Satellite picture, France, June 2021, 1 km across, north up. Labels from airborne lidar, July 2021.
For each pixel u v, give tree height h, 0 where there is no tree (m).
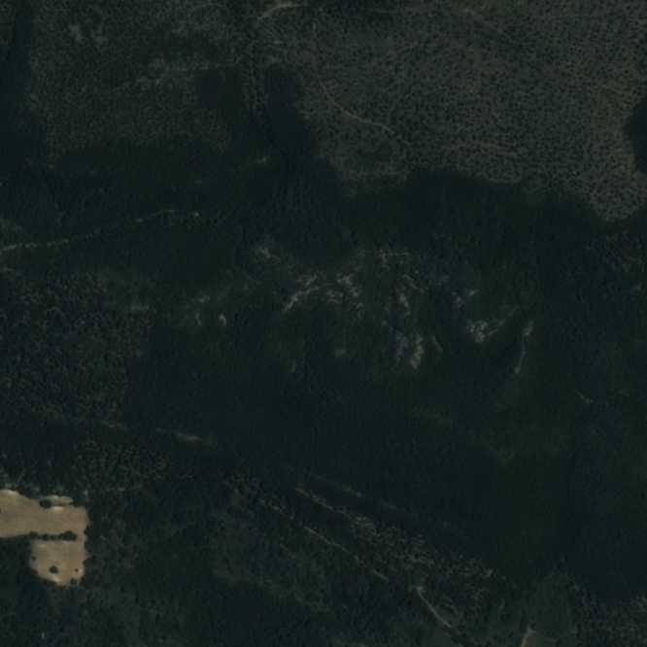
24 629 9
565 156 11
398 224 13
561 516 15
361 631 8
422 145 9
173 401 9
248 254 9
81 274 8
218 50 7
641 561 11
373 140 10
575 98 7
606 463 6
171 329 12
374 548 14
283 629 8
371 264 8
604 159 10
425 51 11
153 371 15
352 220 8
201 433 9
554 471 11
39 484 11
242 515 16
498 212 8
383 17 7
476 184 10
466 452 11
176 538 14
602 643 9
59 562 0
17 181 14
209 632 19
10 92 7
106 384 10
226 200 11
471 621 8
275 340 9
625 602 11
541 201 9
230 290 10
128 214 15
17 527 0
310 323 8
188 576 11
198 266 11
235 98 6
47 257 8
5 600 8
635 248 11
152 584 11
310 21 6
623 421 7
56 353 8
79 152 8
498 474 11
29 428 8
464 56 7
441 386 10
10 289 12
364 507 12
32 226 10
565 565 13
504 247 14
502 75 9
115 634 10
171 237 9
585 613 12
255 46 12
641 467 9
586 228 12
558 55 8
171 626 8
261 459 11
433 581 10
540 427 9
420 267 6
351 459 8
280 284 9
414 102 10
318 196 7
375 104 10
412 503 12
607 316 10
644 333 7
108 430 9
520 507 10
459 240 10
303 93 6
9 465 15
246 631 15
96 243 12
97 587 6
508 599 8
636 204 10
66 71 7
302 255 6
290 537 11
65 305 12
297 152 11
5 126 9
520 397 11
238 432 10
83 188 13
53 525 0
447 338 12
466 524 11
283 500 15
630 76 7
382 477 13
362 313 8
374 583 12
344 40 7
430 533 12
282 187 12
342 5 10
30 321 9
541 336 11
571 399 9
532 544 10
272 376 13
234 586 10
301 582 9
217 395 8
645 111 9
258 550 11
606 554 9
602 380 7
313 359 10
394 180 8
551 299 9
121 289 6
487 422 9
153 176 10
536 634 0
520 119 10
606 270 12
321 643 7
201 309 10
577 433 9
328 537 9
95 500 10
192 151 8
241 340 13
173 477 17
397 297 7
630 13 8
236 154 7
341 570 8
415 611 9
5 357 7
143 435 14
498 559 12
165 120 7
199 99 8
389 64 9
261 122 13
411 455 9
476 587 13
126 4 10
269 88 6
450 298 11
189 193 11
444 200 10
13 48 8
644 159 13
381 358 9
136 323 9
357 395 8
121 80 6
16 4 12
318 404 9
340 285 7
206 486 13
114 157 10
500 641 12
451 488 13
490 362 11
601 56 8
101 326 13
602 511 7
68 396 14
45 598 7
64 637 6
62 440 13
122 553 11
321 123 9
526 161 14
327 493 12
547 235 13
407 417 9
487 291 11
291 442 11
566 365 13
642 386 9
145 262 7
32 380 16
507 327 12
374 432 10
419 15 9
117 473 15
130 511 14
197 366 10
